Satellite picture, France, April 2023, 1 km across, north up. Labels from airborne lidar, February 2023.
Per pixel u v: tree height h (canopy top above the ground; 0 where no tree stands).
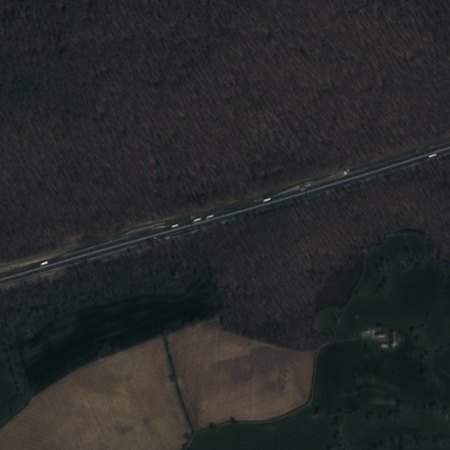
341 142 23
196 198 21
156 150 25
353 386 0
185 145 20
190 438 16
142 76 21
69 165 22
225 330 13
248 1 27
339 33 21
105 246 0
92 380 0
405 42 27
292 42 23
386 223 24
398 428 0
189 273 19
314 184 0
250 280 21
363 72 23
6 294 21
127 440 0
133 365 0
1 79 17
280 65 25
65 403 0
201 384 0
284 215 23
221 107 22
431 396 0
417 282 0
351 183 0
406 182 25
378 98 22
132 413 0
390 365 0
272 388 0
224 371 0
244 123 20
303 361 0
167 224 0
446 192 25
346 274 0
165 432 0
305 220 27
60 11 22
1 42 19
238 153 23
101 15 21
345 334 0
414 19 27
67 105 21
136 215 24
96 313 0
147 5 26
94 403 0
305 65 24
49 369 0
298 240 21
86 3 18
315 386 0
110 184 26
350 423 0
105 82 22
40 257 0
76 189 23
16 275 0
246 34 23
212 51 20
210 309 0
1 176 21
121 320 0
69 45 22
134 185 23
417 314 0
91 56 23
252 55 25
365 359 0
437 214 22
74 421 0
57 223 22
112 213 21
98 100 23
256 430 0
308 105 23
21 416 0
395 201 19
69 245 0
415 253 0
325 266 21
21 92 21
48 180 25
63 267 0
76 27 21
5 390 0
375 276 0
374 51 23
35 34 19
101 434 0
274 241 26
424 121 24
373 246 18
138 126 24
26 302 24
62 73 19
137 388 0
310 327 21
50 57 20
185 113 25
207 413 0
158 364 0
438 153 0
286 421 0
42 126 26
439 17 28
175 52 18
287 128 22
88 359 0
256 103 21
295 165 23
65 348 0
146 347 0
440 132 23
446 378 0
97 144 21
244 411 0
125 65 27
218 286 15
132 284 25
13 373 17
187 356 0
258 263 6
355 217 23
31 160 19
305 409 0
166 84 23
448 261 17
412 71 22
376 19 25
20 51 22
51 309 10
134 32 24
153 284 20
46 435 0
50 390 0
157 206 24
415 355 14
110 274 21
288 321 22
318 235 23
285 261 23
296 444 0
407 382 0
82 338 0
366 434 0
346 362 0
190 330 0
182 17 26
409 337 0
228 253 29
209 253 24
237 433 0
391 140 20
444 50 24
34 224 22
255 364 0
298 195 0
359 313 0
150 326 0
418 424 0
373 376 0
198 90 22
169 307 0
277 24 20
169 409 0
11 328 24
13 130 24
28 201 24
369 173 0
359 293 9
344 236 25
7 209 19
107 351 20
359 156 25
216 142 25
